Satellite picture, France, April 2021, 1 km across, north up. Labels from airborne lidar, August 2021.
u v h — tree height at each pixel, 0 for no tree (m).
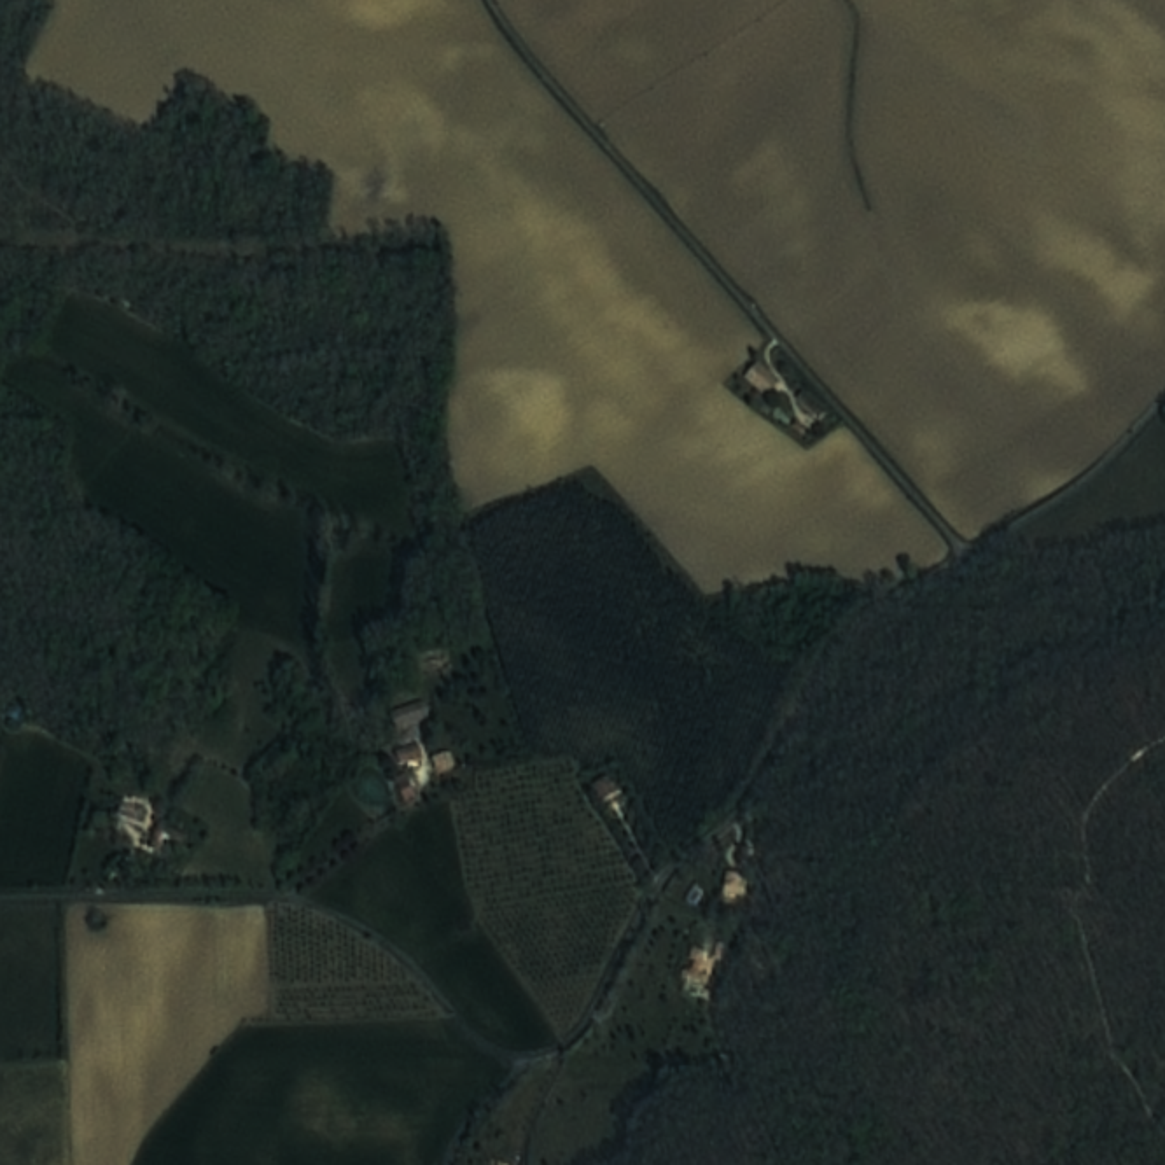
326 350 12
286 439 0
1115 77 0
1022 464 0
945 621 16
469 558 21
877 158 0
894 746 19
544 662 9
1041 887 20
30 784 0
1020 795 16
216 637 13
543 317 0
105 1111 0
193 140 20
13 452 16
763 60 0
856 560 0
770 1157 15
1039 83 0
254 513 0
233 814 0
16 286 14
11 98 15
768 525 0
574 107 0
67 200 12
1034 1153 17
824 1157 22
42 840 0
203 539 0
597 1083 0
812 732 15
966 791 16
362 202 0
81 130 22
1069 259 0
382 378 6
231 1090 0
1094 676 16
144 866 12
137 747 11
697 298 0
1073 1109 21
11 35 12
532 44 0
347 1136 0
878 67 0
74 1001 0
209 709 21
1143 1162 21
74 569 24
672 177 0
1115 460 0
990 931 22
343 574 0
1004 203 0
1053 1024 17
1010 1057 20
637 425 0
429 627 27
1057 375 0
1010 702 12
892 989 17
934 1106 15
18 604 17
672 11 0
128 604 23
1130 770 15
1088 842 17
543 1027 0
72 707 16
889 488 0
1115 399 0
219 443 0
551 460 0
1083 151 0
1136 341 0
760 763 14
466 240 0
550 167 0
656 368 0
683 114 0
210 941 0
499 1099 9
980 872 21
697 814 10
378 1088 0
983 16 0
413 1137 0
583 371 0
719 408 0
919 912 21
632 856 9
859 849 23
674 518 0
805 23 0
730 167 0
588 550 10
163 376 0
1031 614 16
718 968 0
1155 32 0
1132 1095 19
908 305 0
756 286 0
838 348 0
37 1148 0
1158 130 0
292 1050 0
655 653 10
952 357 0
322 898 0
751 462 0
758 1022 15
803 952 22
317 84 0
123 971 0
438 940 0
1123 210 0
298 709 10
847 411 0
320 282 18
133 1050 0
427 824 0
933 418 0
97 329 0
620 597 11
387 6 0
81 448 0
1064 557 18
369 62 0
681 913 0
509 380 0
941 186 0
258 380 8
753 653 8
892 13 0
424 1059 0
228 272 10
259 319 8
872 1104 19
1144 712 15
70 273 16
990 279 0
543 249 0
